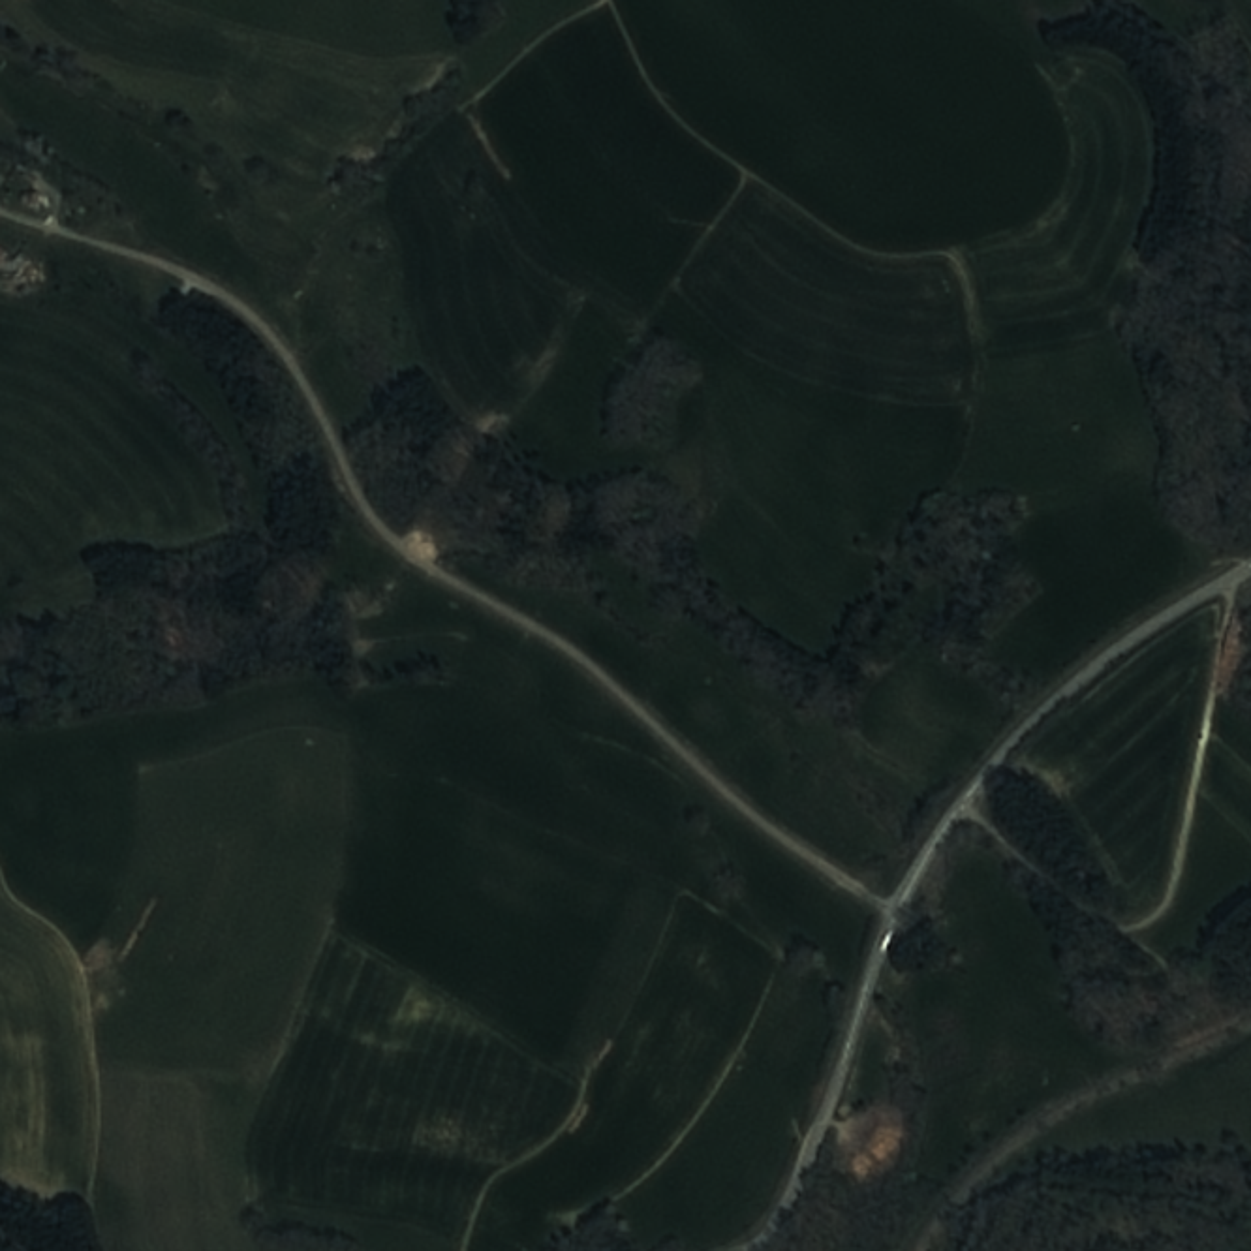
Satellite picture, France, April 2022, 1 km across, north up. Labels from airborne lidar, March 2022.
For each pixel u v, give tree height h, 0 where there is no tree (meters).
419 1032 0
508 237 0
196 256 0
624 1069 0
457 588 0
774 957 0
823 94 0
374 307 0
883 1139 0
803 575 0
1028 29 0
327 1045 0
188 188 0
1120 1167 25
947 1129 0
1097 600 0
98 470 0
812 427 0
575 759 0
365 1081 0
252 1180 0
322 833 0
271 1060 0
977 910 0
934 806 16
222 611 21
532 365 0
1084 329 0
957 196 0
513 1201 0
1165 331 29
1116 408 0
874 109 0
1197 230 21
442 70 0
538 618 0
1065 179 0
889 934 0
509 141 0
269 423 13
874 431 0
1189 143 22
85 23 0
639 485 18
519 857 0
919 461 0
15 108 0
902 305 0
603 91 0
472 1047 0
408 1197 0
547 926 0
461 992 0
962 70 0
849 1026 19
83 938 0
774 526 0
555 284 0
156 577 26
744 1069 0
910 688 0
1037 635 0
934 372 0
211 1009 0
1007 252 0
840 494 0
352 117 0
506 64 0
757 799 0
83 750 0
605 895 0
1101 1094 8
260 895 0
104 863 0
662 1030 0
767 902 0
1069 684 0
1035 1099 0
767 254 0
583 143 0
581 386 0
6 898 0
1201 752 0
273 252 0
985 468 0
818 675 17
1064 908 29
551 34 0
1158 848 0
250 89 0
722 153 0
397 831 0
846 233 0
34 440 0
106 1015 0
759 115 0
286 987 0
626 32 0
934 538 10
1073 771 0
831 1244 15
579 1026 0
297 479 10
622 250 0
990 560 23
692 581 24
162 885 0
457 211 0
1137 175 0
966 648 17
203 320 20
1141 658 0
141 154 0
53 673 21
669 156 0
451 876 0
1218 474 15
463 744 0
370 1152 0
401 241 0
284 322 0
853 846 0
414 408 22
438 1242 0
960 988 0
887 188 0
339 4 0
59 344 0
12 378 0
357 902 0
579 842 0
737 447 0
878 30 0
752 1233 0
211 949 0
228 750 0
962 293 0
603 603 14
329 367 0
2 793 0
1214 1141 0
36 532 0
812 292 0
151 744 0
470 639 0
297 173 0
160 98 0
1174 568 0
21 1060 0
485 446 24
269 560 15
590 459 0
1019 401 0
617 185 0
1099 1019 25
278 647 27
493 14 21
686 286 0
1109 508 0
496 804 0
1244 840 0
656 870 0
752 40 0
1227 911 0
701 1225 0
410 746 0
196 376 0
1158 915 0
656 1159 0
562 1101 0
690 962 0
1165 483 11
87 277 0
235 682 17
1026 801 28
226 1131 0
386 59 0
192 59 0
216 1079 0
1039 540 0
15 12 0
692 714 0
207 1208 0
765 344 0
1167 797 0
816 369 0
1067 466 0
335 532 14
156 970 0
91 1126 0
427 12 0
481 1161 0
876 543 0
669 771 0
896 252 0
